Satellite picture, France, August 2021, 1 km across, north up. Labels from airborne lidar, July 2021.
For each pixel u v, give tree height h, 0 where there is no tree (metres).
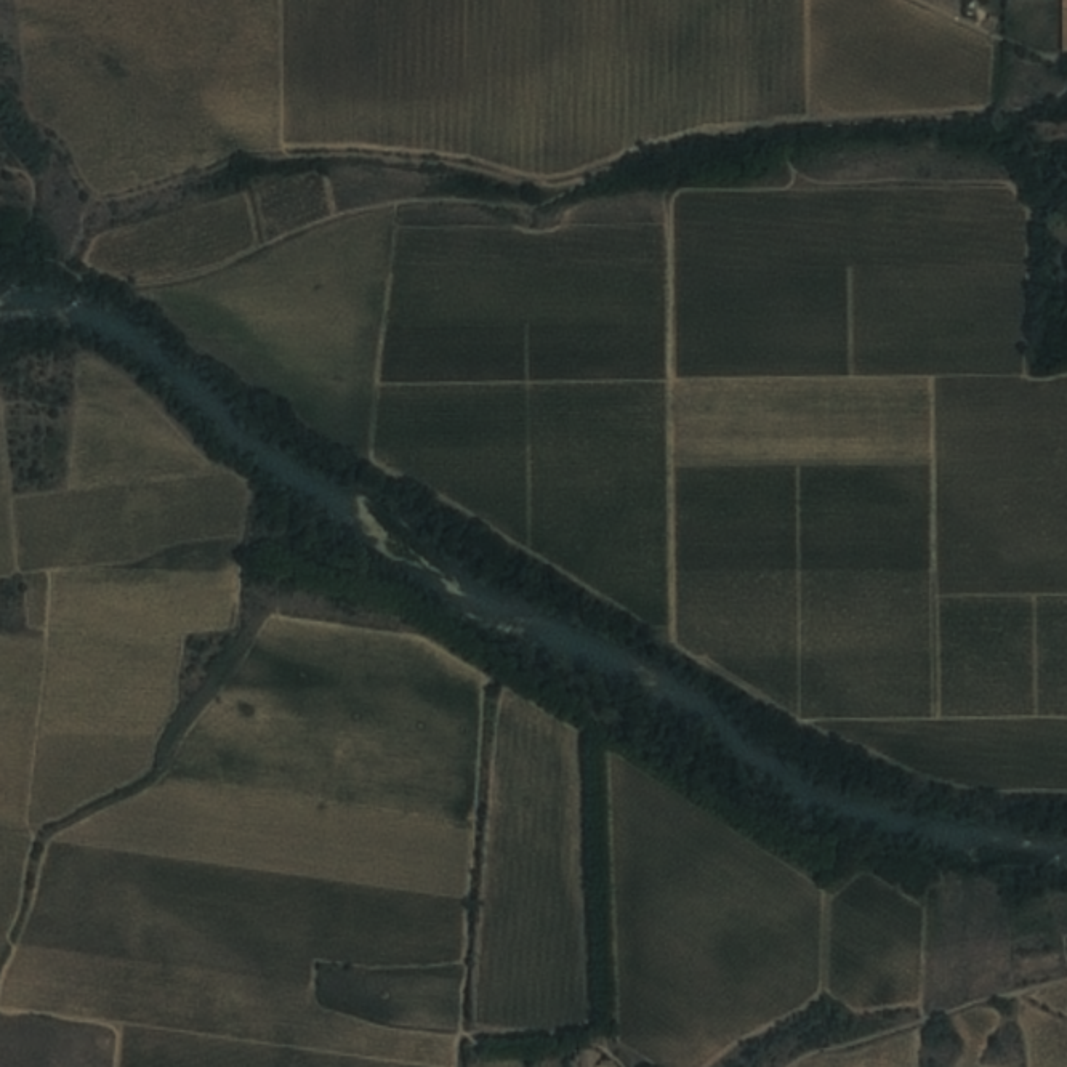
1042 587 0
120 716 0
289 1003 0
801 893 0
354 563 26
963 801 14
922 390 0
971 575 0
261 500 15
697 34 0
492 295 0
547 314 0
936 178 0
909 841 18
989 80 0
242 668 0
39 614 0
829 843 22
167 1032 0
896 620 0
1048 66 7
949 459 0
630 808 0
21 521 0
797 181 0
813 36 0
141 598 0
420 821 0
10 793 0
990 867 18
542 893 0
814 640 0
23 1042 0
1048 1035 0
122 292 18
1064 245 16
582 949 0
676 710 22
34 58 0
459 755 0
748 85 0
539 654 9
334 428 0
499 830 0
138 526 0
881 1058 0
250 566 20
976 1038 0
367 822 0
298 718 0
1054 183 15
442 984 0
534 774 0
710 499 0
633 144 0
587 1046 18
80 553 0
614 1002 17
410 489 21
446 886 0
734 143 12
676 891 0
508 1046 17
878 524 0
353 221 0
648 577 0
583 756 14
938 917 0
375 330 0
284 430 21
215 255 0
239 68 0
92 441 0
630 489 0
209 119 0
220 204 0
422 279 0
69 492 0
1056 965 0
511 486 0
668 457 0
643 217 0
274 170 8
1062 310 13
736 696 9
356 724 0
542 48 0
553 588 19
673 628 0
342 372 0
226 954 0
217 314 0
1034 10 0
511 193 11
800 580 0
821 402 0
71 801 0
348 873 0
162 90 0
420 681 0
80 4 0
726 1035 0
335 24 0
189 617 0
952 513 0
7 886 0
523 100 0
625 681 20
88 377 0
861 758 20
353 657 0
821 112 0
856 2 0
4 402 0
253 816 0
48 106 0
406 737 0
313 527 16
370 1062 0
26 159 16
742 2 0
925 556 0
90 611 0
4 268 16
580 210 0
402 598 23
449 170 7
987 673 0
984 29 0
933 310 0
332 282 0
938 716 0
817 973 0
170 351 19
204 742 0
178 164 0
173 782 0
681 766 29
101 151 0
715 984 0
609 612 17
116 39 0
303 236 0
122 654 0
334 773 0
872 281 0
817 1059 0
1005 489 0
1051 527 0
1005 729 0
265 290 0
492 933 0
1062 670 0
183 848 0
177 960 0
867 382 0
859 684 0
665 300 0
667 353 0
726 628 0
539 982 0
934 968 0
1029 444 0
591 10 0
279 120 0
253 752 0
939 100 0
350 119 0
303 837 0
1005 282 0
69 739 0
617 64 0
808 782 14
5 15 0
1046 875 15
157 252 0
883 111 0
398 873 0
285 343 0
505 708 0
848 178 0
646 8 0
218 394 20
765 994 0
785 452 0
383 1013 0
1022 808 14
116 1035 0
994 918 0
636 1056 0
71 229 0
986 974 0
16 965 0
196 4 0
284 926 0
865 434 0
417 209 0
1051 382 0
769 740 25
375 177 0
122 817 0
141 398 0
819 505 0
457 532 26
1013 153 15
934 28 0
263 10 0
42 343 14
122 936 0
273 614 0
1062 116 8
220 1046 0
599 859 22
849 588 0
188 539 0
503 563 20
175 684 0
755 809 23
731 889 0
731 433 0
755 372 0
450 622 25
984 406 0
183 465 0
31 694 0
